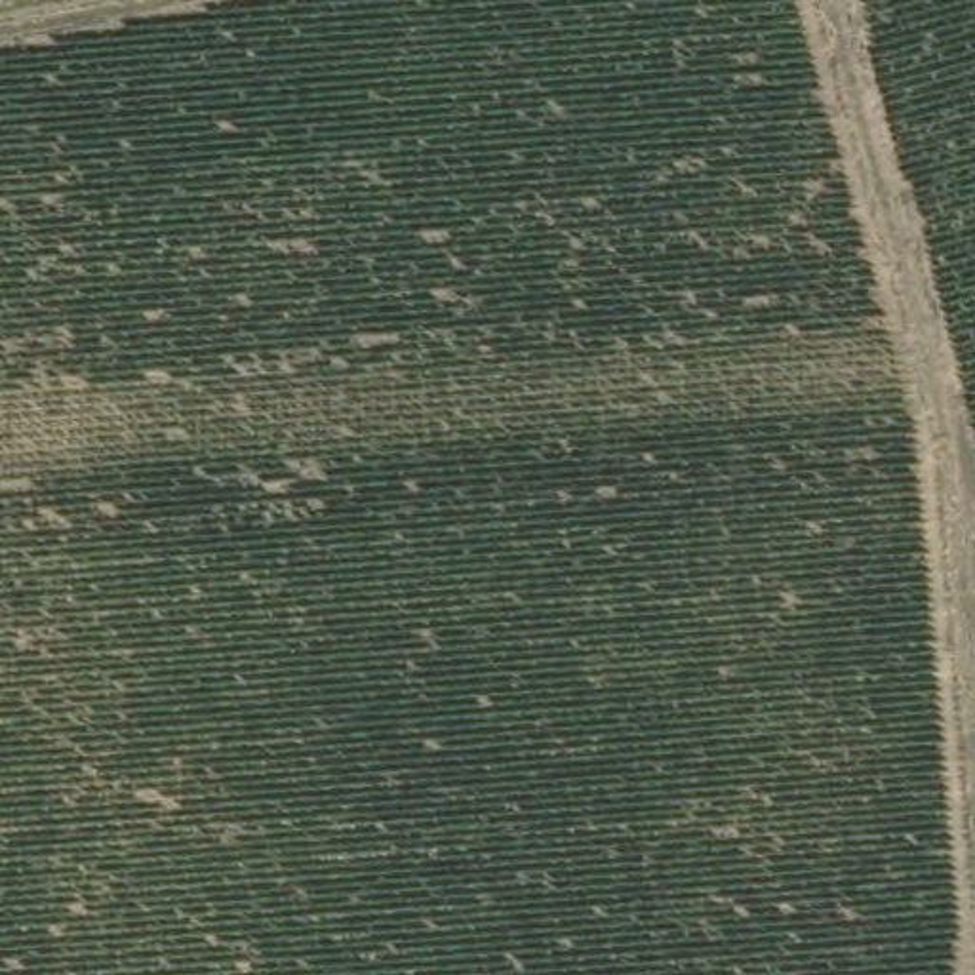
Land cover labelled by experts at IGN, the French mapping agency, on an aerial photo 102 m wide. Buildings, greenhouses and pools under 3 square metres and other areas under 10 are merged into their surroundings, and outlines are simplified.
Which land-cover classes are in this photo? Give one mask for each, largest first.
<instances>
[{"label":"vineyard","instance_id":"1","mask_svg":"<svg viewBox=\"0 0 975 975\"><path fill-rule=\"evenodd\" d=\"M838 141L819 103V80L804 42L796 0H217L202 11L126 19L118 30L57 34L50 46H0V975H952L956 891L945 819L941 708L933 670L922 499L914 472V419L903 396L899 350L884 328V308L872 297L876 278L868 259L861 255V225L849 206V187L846 175L834 168ZM876 88L884 99L899 171L910 179L925 225L929 267L956 347L964 404L975 427V0H865Z\"/></svg>","mask_w":975,"mask_h":975},{"label":"herbaceous vegetation","instance_id":"2","mask_svg":"<svg viewBox=\"0 0 975 975\"><path fill-rule=\"evenodd\" d=\"M217 0H0V46H50L57 34L118 30L126 19L202 11ZM804 42L819 80V103L838 141L834 168L846 175L849 187V206L861 225V255L868 259L876 278L872 297L884 308V328L899 350L903 396L914 419V472L922 499L933 670L941 708L945 819L956 891L952 975H975V427L964 404L956 347L929 267L925 225L910 179L899 171L884 99L876 88L865 0H796Z\"/></svg>","mask_w":975,"mask_h":975}]
</instances>
